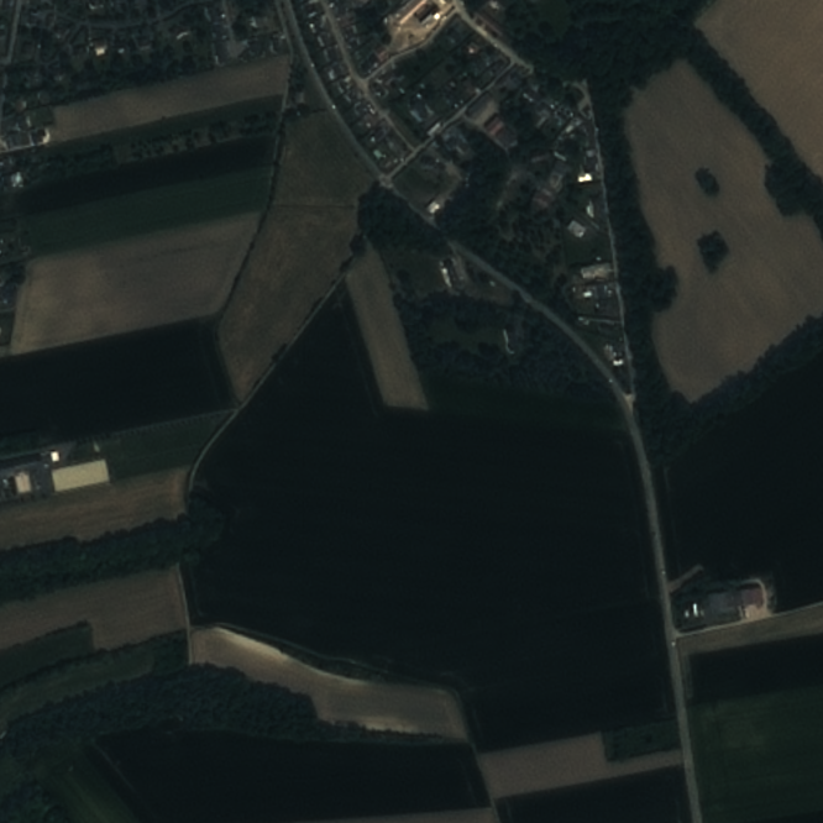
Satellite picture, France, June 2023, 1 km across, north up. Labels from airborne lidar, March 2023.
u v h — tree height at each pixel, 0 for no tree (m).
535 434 0
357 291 0
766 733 0
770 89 0
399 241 24
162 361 0
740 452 0
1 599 10
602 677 0
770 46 0
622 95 17
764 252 0
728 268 0
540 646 0
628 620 0
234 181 0
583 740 0
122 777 0
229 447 0
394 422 0
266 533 0
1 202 0
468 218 16
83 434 0
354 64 0
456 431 0
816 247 0
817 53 0
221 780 0
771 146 17
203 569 0
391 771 0
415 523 0
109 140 0
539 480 0
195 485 0
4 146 0
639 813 0
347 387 0
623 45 30
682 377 0
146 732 0
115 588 0
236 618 0
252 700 9
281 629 0
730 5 0
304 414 0
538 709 0
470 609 0
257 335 0
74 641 0
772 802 0
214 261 0
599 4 27
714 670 0
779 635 0
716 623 0
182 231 0
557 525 0
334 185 0
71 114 0
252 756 0
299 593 0
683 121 0
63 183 0
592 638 0
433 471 0
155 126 0
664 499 0
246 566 0
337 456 0
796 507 0
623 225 17
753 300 0
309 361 0
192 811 0
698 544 0
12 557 21
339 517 0
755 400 0
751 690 0
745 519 0
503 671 0
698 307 0
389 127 0
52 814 17
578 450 0
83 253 0
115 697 22
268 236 0
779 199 13
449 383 0
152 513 0
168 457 0
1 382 0
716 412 22
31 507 0
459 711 0
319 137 0
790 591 0
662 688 0
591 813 0
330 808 0
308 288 0
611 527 0
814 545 0
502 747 0
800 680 0
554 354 16
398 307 14
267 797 0
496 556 0
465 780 0
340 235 0
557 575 0
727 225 0
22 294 0
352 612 0
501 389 0
